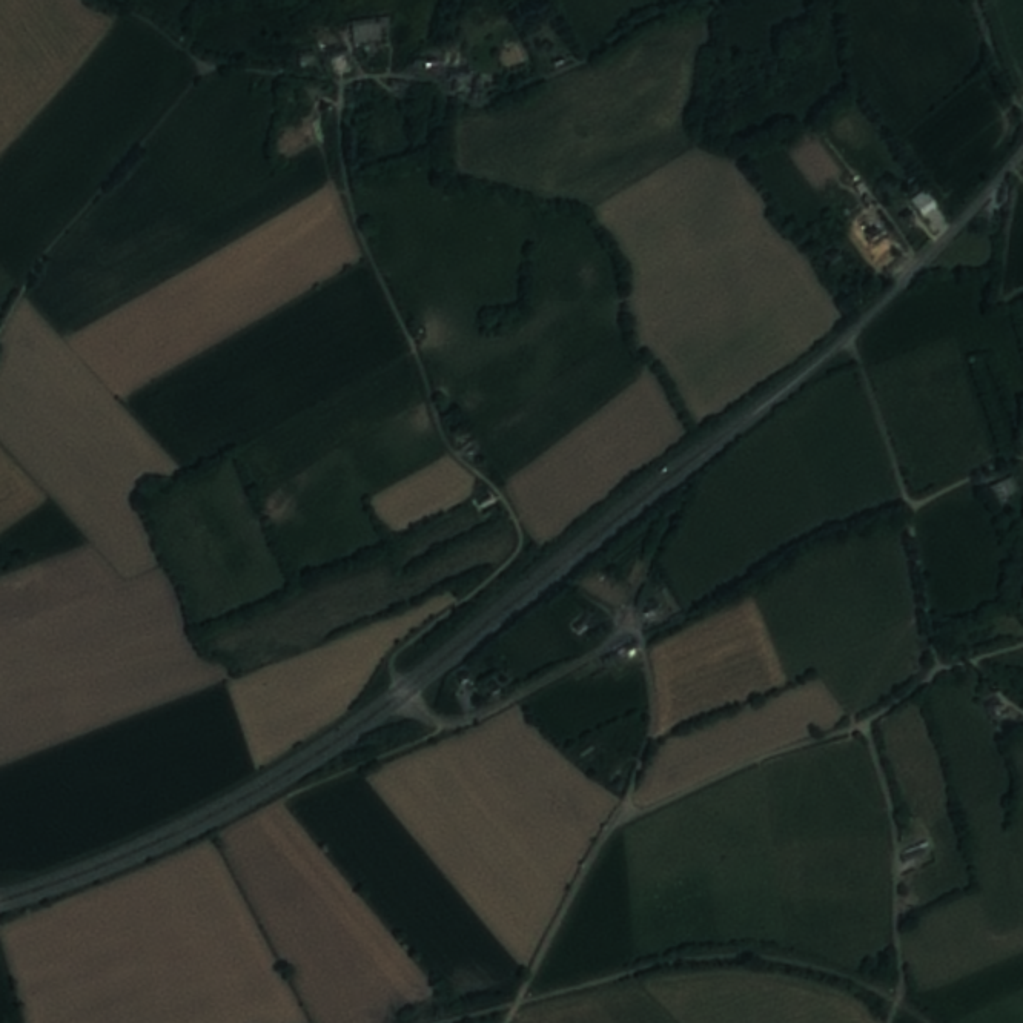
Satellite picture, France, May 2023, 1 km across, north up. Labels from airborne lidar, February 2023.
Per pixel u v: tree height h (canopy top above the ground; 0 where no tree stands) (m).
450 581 9
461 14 23
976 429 0
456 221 0
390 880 0
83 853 0
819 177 0
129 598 0
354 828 0
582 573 9
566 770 0
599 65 9
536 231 0
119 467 0
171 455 0
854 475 0
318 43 0
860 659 0
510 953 0
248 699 0
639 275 0
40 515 0
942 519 0
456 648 0
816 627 0
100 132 0
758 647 0
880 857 0
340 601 0
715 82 9
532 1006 0
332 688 0
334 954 0
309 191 0
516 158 0
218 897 0
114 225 0
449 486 0
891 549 0
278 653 0
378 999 0
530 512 0
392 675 0
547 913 0
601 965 0
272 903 0
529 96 9
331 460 0
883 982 9
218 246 0
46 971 0
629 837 0
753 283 0
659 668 0
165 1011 0
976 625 16
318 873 0
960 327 0
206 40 0
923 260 0
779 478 0
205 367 0
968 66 0
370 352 0
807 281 0
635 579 0
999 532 7
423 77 0
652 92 0
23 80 0
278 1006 0
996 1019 0
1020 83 0
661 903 0
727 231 0
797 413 0
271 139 7
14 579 0
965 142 0
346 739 0
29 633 0
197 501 0
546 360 0
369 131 10
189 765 0
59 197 0
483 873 0
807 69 7
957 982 0
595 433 0
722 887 0
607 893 0
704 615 15
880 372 0
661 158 0
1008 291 0
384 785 0
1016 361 0
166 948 0
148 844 0
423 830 0
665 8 17
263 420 0
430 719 0
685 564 0
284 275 0
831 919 0
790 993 0
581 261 0
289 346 0
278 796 0
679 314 0
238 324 0
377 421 0
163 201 0
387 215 0
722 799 0
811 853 0
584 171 0
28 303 0
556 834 0
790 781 0
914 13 0
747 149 15
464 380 0
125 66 0
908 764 0
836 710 0
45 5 0
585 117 0
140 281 0
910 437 0
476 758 0
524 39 16
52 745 0
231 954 0
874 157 0
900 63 0
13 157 0
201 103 0
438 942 0
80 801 0
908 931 12
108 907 0
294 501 0
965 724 0
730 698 0
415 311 0
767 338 0
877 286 14
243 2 16
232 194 0
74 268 0
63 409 0
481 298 0
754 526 0
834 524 8
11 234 0
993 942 0
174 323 0
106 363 0
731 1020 0
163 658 0
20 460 0
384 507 0
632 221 0
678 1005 0
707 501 0
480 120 0
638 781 8
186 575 0
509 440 0
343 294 0
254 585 0
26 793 0
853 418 0
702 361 0
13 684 0
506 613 0
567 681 0
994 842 0
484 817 0
